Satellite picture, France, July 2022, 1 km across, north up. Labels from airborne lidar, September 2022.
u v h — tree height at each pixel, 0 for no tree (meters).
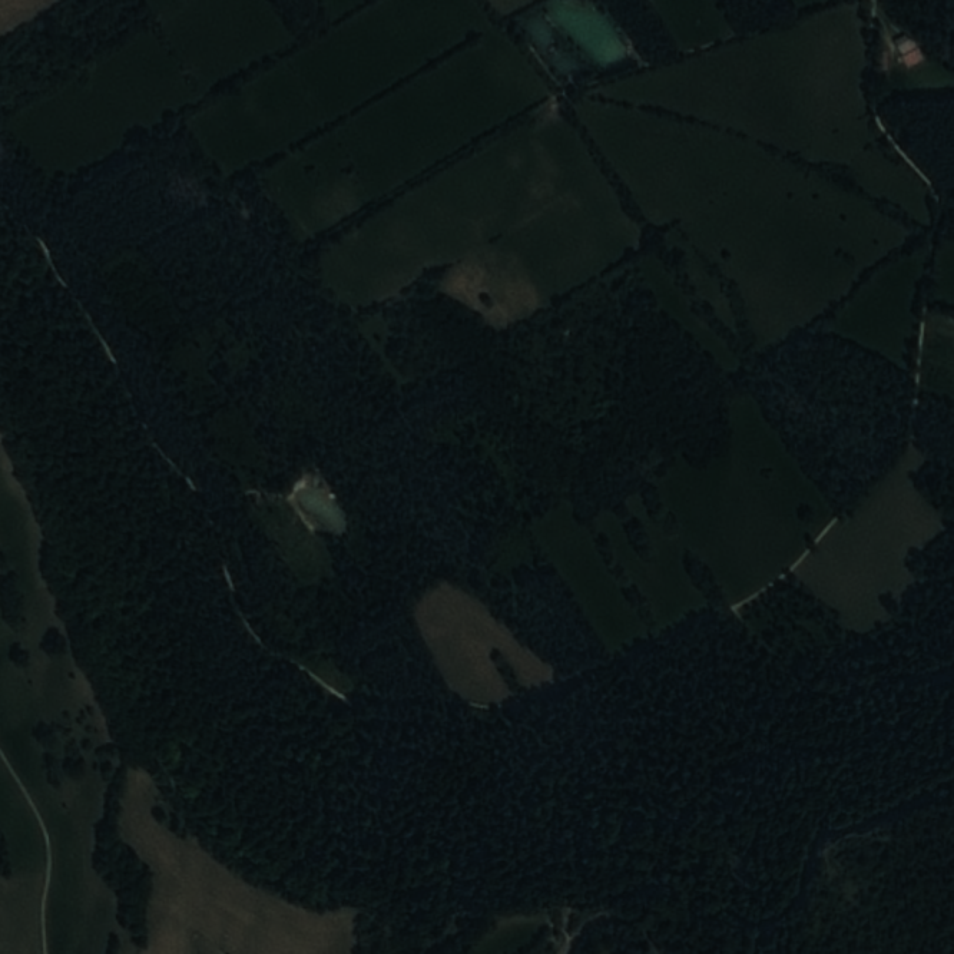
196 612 19
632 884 26
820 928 7
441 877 33
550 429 9
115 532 31
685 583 0
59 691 0
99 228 20
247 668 24
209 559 23
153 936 0
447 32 0
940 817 16
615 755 37
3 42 13
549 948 12
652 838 28
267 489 15
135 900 20
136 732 22
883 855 15
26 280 23
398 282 0
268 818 26
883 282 0
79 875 0
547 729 39
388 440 18
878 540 0
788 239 0
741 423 0
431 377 14
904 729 29
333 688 0
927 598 25
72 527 26
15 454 14
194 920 0
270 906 0
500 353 15
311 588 7
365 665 25
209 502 28
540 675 0
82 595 21
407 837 23
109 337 26
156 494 25
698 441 19
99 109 0
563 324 6
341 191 0
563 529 0
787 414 19
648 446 23
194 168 19
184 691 26
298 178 0
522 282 0
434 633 0
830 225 0
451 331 18
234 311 24
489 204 0
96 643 30
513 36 10
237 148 0
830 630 9
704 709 18
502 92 0
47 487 24
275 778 30
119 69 0
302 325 19
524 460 19
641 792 13
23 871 0
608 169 14
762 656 21
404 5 0
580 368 7
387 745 8
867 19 18
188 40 0
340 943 0
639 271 9
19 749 0
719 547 0
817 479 11
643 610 26
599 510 13
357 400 23
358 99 0
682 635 20
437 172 8
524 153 0
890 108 20
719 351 0
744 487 0
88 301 25
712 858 34
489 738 33
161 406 26
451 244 0
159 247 25
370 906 15
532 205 0
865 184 0
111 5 16
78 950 0
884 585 0
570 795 17
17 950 0
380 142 0
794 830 30
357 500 13
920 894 17
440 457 18
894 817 18
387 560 20
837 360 20
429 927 26
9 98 6
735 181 0
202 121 0
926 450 17
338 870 18
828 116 0
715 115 0
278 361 14
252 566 24
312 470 14
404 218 0
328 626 10
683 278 12
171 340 10
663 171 0
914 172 9
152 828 0
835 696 12
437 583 12
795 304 0
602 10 15
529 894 28
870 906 10
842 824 22
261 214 18
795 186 0
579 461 12
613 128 0
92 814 0
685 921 16
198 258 20
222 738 20
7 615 16
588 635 28
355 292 0
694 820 34
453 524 31
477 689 0
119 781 15
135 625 34
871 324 0
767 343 0
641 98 0
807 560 0
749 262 0
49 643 17
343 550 18
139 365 27
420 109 0
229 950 0
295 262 17
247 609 19
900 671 15
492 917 15
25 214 30
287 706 24
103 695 17
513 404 12
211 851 11
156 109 0
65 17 8
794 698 24
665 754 30
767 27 16
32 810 0
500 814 18
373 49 0
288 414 8
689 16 0
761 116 0
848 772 26
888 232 0
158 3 0
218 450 7
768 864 30
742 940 23
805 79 0
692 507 0
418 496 23
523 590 11
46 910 0
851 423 28
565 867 36
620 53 0
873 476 22
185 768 21
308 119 0
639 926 18
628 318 7
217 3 0
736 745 10
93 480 26
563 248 0
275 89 0
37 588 0
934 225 7
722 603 23
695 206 0
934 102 21
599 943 17
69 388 31
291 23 35
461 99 0
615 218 0
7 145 21
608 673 16
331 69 0
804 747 19
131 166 23
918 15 13
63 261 28
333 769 27
